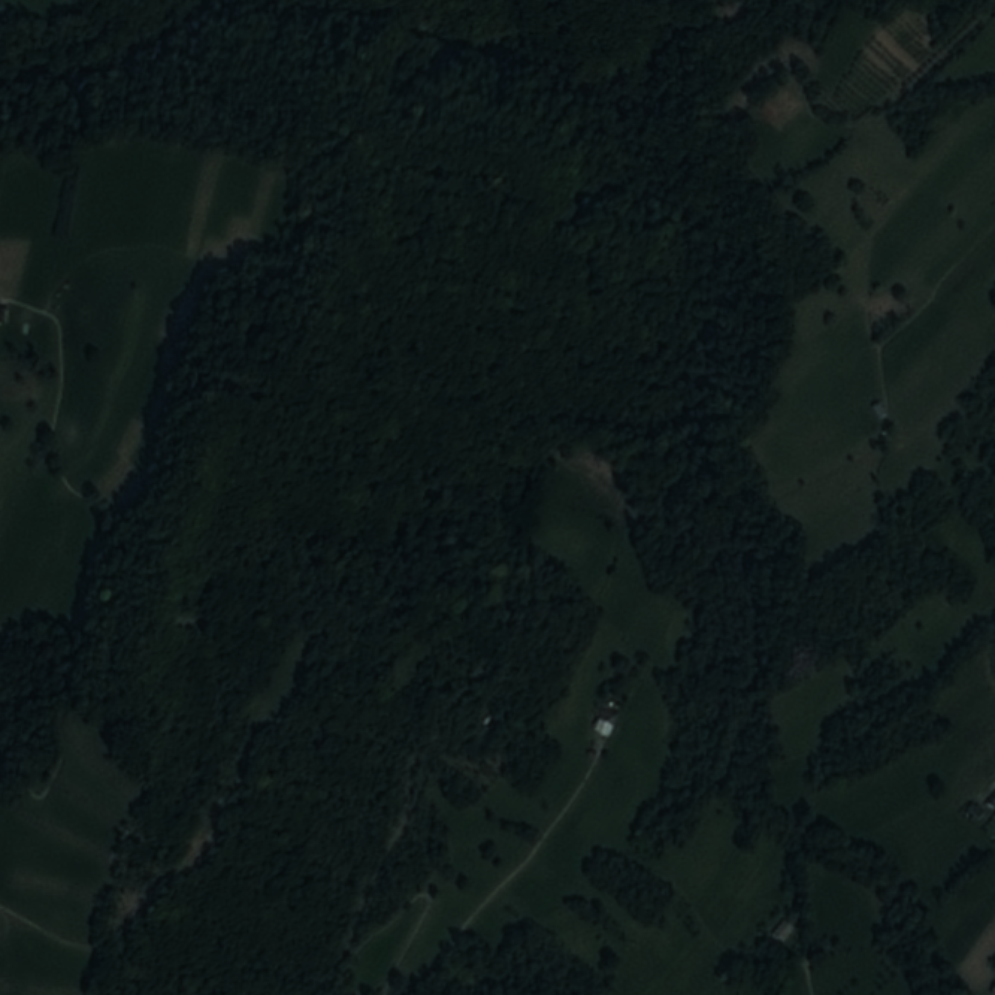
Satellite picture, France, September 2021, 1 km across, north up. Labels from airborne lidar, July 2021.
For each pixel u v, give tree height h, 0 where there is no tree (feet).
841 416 0
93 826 0
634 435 88
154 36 92
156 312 0
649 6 62
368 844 63
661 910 72
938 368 0
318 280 82
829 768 62
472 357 97
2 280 0
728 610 87
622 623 0
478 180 105
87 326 0
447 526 72
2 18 39
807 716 0
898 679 61
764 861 0
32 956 0
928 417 0
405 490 111
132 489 0
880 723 56
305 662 33
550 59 97
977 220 0
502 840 0
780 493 0
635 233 112
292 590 95
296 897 83
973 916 0
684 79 116
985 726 0
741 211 85
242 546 49
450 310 103
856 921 0
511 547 54
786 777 0
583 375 105
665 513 19
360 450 75
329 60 88
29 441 0
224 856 78
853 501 0
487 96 103
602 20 125
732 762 56
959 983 32
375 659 79
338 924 57
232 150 64
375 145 73
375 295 88
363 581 86
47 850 0
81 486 0
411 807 58
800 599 53
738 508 73
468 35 79
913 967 89
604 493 0
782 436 0
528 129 86
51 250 0
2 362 0
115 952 86
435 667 26
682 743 44
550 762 61
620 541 0
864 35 0
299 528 81
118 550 46
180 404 82
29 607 0
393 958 0
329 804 60
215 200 0
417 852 37
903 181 0
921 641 0
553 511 0
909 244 0
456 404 98
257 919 65
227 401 77
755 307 91
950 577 61
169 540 50
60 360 0
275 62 72
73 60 117
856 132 0
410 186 94
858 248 0
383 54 97
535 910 0
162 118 96
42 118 112
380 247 99
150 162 0
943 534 0
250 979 81
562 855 0
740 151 76
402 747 45
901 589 39
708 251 112
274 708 0
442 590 102
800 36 66
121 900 38
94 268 0
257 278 96
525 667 79
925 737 67
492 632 67
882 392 0
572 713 0
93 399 0
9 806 51
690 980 0
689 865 0
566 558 0
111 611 58
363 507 83
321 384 86
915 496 47
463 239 89
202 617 66
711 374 89
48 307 0
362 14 105
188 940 86
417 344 98
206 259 0
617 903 39
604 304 106
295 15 93
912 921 68
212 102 50
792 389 0
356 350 93
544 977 48
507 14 95
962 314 0
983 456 47
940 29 51
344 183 112
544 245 75
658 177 97
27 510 0
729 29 62
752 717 54
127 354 0
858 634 70
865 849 46
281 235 64
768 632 114
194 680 52
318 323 77
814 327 0
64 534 0
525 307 98
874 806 0
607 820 0
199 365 90
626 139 110
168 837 80
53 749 75
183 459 66
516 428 81
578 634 73
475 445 96
